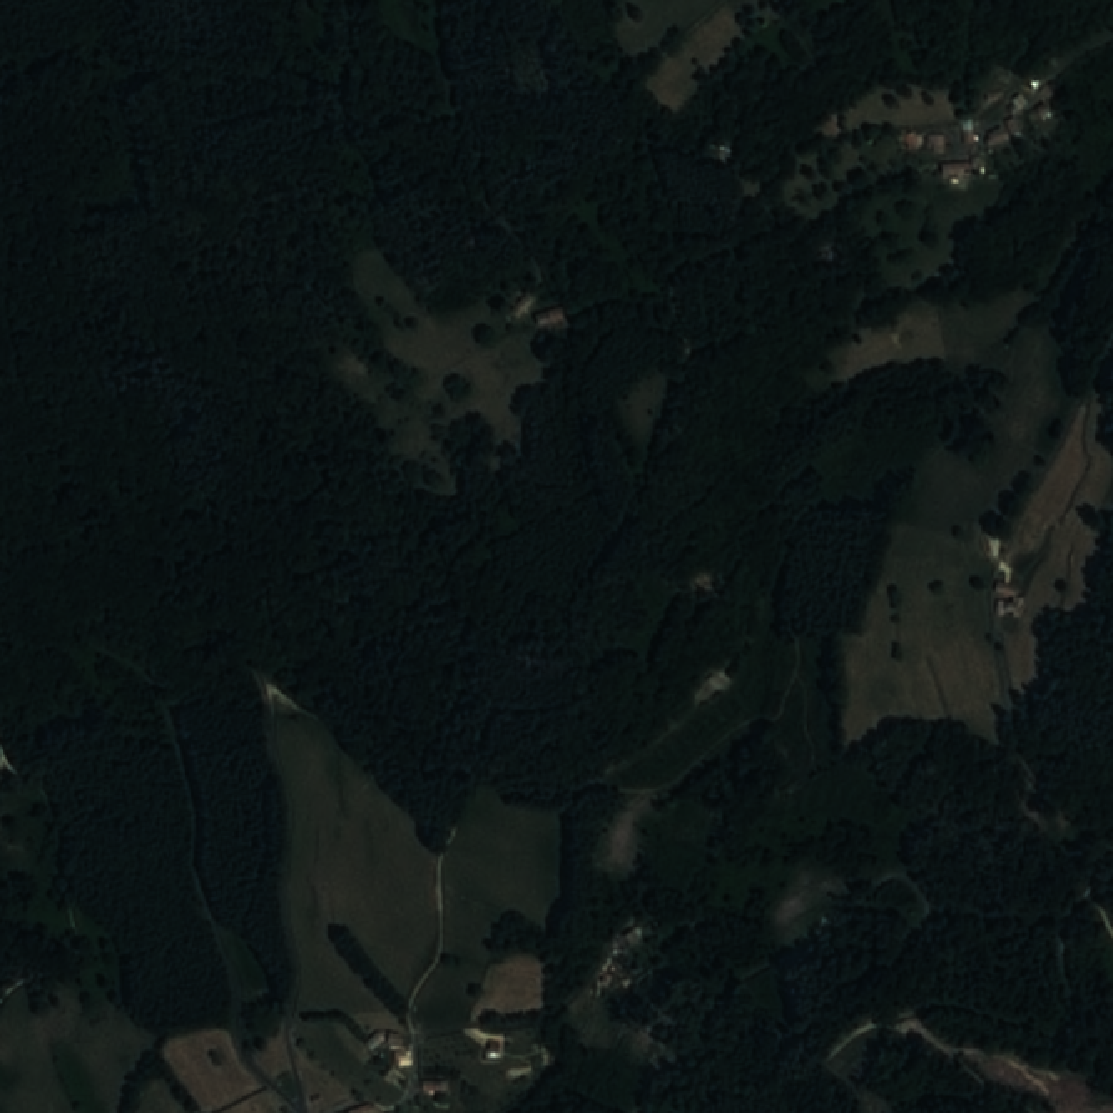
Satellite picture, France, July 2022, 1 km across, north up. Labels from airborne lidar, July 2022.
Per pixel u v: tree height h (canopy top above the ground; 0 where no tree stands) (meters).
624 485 31
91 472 33
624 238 13
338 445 29
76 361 30
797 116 20
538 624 21
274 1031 0
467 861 0
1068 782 27
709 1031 25
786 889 7
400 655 31
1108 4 19
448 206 18
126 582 29
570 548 12
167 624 32
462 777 32
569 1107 26
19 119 36
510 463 16
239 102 19
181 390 30
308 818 0
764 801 17
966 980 9
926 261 0
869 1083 20
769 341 25
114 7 14
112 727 27
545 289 7
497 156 16
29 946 30
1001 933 13
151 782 20
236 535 33
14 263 32
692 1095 18
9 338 27
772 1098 22
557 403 7
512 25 28
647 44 0
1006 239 28
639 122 13
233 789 23
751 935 18
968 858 20
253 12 25
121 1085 0
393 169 26
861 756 22
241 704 20
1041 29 27
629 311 18
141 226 24
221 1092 0
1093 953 7
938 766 23
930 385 17
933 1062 8
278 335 22
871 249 24
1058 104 23
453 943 0
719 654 22
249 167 27
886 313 24
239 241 21
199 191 31
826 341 28
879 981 31
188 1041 0
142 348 23
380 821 0
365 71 20
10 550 20
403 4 0
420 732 24
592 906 21
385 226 21
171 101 20
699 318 10
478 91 29
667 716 21
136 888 23
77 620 25
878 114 0
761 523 33
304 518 28
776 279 22
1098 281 34
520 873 0
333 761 0
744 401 24
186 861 20
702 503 20
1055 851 22
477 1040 0
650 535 29
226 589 33
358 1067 0
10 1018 0
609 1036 0
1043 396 0
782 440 24
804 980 34
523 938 15
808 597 23
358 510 21
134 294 19
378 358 18
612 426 10
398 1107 7
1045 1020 6
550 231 23
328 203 18
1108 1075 26
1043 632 19
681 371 11
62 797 19
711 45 0
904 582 0
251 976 0
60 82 30
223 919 23
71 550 28
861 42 15
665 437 14
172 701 19
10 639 29
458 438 7
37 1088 0
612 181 19
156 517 23
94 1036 0
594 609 19
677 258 10
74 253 23
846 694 19
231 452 26
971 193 0
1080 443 0
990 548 0
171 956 21
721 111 13
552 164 21
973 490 0
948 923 15
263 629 28
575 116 29
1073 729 32
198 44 30
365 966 23
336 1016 13
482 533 16
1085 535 0
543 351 26
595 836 27
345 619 27
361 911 0
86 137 10
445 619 32
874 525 29
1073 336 26
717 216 23
